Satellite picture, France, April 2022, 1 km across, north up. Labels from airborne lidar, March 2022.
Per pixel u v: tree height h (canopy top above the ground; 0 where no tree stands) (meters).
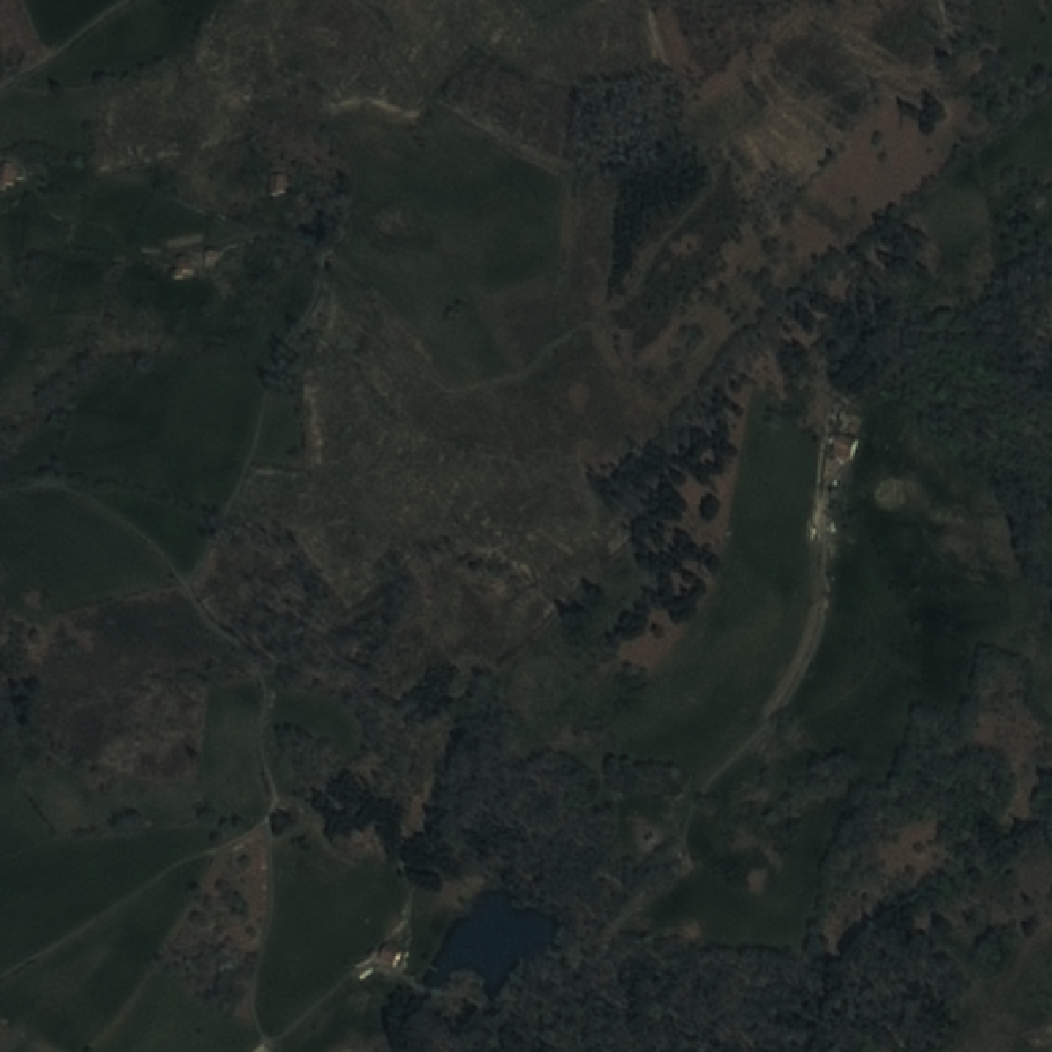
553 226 0
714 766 0
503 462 0
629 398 0
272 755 0
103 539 0
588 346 0
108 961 0
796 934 0
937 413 29
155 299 0
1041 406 20
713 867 0
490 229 0
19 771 0
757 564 0
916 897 13
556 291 0
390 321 0
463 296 0
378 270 0
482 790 25
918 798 26
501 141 0
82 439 0
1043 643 0
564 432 0
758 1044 21
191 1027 0
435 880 18
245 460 0
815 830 0
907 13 0
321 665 21
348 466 0
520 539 0
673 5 0
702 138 0
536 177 0
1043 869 0
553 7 0
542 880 8
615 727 0
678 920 0
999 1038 0
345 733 0
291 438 0
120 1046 0
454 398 0
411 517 0
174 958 7
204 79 0
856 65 0
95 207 0
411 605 17
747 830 0
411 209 0
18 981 0
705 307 12
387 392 0
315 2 0
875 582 0
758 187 0
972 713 25
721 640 0
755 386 12
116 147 0
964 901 15
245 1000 14
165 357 0
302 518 0
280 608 22
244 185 0
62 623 0
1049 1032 0
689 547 15
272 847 0
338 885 0
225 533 19
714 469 16
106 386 0
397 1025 24
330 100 0
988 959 26
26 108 0
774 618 0
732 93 0
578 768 12
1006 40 0
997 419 29
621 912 18
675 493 17
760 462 0
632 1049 28
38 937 0
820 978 24
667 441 15
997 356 11
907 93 0
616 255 7
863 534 0
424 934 0
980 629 0
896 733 0
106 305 0
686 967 19
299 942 0
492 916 0
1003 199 0
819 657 0
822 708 0
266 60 0
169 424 0
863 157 0
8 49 0
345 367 0
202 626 0
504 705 16
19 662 7
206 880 0
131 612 0
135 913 0
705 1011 24
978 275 0
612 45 0
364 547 0
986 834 24
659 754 0
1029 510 29
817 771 12
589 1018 22
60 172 0
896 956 28
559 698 0
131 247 0
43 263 15
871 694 0
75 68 0
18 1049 0
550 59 0
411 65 0
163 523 0
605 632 0
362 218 0
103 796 7
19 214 0
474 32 0
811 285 18
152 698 0
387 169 0
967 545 0
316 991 0
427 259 0
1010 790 19
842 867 19
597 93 25
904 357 23
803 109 0
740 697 0
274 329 0
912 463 0
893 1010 29
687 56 0
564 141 0
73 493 0
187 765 0
